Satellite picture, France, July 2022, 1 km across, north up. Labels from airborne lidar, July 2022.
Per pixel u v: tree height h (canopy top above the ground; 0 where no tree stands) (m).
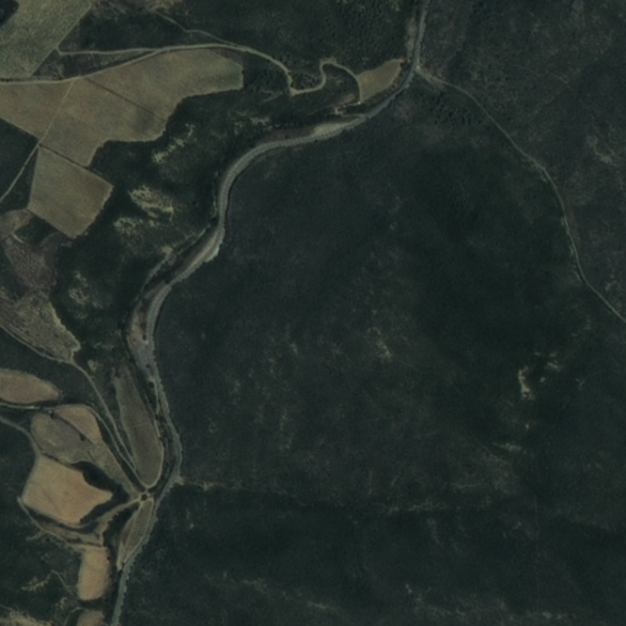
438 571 0
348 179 6
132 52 0
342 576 7
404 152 0
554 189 0
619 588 0
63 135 0
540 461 6
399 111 0
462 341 6
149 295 0
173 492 6
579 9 0
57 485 0
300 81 9
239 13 6
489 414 6
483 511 6
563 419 6
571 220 0
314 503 6
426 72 0
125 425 0
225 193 0
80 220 0
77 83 0
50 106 0
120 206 6
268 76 15
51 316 0
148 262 6
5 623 0
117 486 9
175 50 0
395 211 0
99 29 8
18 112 0
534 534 0
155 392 0
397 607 0
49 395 0
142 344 0
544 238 6
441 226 6
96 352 6
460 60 5
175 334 0
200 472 0
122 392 0
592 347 7
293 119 12
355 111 10
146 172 9
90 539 0
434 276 6
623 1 0
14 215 0
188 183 5
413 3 8
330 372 6
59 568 0
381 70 0
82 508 0
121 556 0
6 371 0
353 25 9
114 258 5
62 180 0
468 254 5
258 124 8
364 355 0
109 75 0
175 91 0
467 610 0
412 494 6
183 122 6
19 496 0
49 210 0
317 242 0
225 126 7
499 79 7
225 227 7
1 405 5
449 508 6
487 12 10
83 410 0
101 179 0
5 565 8
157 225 0
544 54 0
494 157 6
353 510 6
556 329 7
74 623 0
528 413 5
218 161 11
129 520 0
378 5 17
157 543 6
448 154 5
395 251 0
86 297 0
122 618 7
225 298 6
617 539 5
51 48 0
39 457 0
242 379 0
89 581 0
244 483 6
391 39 6
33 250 0
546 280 5
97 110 0
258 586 0
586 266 0
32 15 0
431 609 0
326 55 5
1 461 0
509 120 9
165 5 0
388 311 0
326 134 0
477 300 5
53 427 0
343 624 0
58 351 0
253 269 6
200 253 0
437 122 9
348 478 0
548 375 6
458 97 0
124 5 0
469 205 8
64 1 0
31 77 0
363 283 0
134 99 0
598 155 0
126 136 0
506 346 6
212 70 0
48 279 0
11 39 0
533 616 0
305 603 0
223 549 6
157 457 0
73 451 0
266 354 0
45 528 0
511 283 6
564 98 0
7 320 0
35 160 0
